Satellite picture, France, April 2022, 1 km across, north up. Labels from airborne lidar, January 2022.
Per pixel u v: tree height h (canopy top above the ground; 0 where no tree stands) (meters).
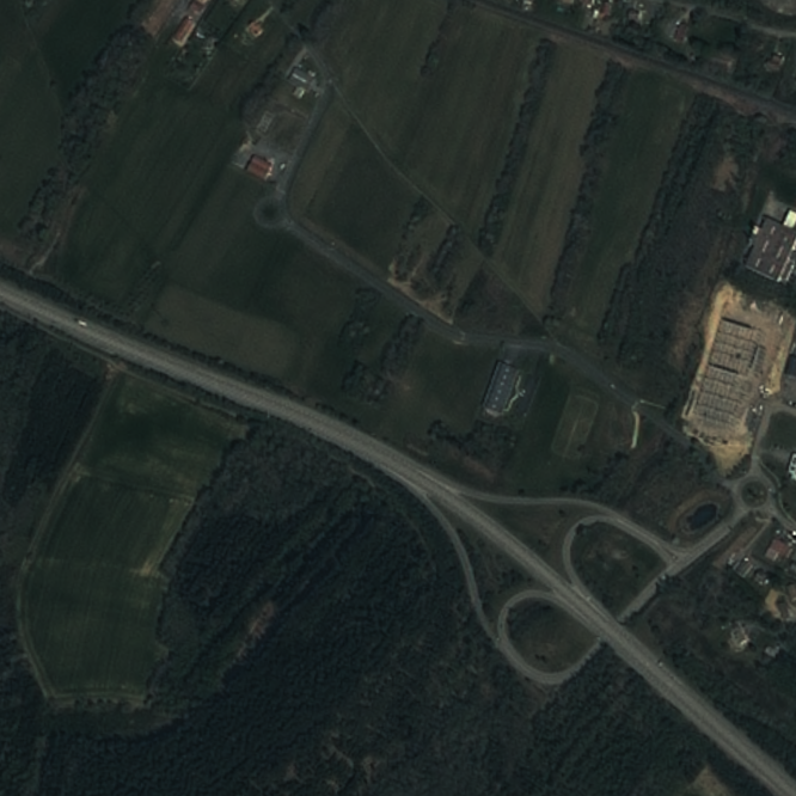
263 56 0
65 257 0
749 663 0
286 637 25
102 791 21
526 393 0
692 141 10
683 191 15
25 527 11
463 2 10
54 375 8
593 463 0
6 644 17
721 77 18
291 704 22
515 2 0
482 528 0
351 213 0
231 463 19
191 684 18
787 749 12
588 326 0
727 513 0
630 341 13
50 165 0
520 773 13
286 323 0
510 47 0
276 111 0
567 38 0
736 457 0
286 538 19
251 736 20
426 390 0
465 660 16
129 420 0
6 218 0
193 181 0
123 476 0
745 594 7
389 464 0
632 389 0
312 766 16
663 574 0
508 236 0
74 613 0
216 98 0
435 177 0
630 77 12
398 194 0
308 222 0
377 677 18
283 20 0
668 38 0
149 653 0
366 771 20
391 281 0
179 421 0
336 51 0
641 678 11
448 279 15
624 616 0
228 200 0
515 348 0
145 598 0
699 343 0
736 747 0
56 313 0
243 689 24
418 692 27
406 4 0
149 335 8
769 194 0
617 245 0
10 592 0
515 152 10
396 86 0
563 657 0
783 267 0
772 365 0
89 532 0
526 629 13
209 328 0
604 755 15
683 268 18
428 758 21
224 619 16
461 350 0
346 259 0
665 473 6
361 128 0
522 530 0
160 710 14
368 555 23
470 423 0
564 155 0
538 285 0
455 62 0
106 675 0
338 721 19
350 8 0
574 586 0
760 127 16
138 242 0
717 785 0
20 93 0
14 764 16
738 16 19
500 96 0
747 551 0
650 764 12
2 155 0
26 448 8
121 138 0
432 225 0
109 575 0
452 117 0
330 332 0
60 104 0
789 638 13
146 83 0
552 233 0
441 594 19
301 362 0
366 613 23
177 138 0
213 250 0
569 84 0
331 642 18
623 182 0
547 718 11
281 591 12
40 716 7
